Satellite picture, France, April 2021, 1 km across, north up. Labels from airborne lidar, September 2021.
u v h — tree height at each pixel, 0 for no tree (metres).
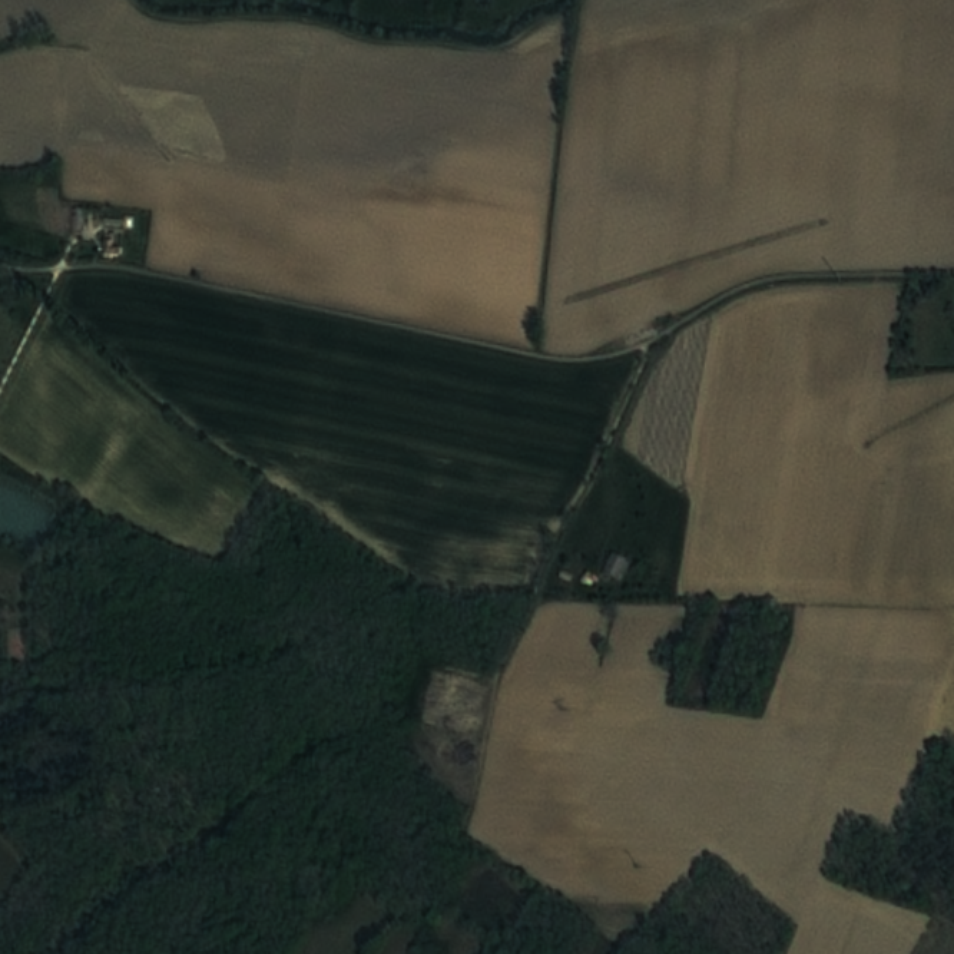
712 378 0
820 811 0
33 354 0
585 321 0
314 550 16
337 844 23
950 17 0
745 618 16
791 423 0
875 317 0
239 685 22
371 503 0
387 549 0
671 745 0
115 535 21
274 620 17
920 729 0
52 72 0
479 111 0
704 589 0
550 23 0
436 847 19
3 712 19
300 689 24
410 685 12
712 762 0
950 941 0
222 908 20
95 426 0
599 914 0
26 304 0
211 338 0
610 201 0
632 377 0
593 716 0
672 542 0
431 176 0
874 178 0
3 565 0
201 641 17
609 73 0
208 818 26
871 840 22
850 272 0
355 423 0
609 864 0
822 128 0
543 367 0
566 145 0
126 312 0
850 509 0
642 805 0
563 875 0
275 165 0
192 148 0
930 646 0
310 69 0
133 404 0
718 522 0
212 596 18
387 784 21
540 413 0
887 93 0
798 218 0
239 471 10
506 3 0
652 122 0
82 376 0
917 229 0
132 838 21
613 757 0
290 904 22
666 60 0
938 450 0
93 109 0
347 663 20
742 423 0
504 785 0
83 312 0
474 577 0
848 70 0
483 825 0
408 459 0
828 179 0
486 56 0
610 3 0
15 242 0
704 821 0
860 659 0
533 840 0
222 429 0
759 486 0
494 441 0
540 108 0
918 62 0
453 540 0
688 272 0
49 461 0
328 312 0
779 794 0
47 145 0
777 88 0
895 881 18
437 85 0
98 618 25
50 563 22
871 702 0
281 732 25
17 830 19
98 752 24
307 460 0
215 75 0
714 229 0
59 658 18
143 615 18
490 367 0
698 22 0
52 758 15
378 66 0
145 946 24
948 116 0
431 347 0
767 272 0
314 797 25
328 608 18
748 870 0
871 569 0
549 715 0
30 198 0
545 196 0
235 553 20
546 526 0
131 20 0
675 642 12
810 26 0
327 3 12
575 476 0
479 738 0
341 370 0
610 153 0
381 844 20
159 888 26
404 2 0
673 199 0
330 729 21
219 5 10
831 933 0
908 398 0
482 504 0
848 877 18
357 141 0
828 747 0
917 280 13
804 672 0
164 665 18
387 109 0
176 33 0
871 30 0
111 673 19
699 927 15
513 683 0
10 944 21
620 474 0
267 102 0
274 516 19
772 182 0
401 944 0
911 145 0
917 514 0
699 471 0
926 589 0
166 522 0
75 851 23
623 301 0
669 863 0
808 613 0
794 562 0
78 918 22
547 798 0
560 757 0
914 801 18
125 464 0
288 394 0
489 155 0
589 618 0
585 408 0
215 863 19
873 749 0
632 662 0
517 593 13
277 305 0
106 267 0
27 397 0
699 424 0
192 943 24
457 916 19
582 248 0
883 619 0
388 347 0
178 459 0
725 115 0
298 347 0
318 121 0
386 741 18
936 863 25
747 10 0
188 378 0
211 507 0
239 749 26
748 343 0
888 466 0
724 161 0
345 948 0
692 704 0
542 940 17
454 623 22
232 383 0
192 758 23
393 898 21
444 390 0
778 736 0
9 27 0
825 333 0
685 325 0
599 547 0
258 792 28
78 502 16
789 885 0
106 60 0
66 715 27
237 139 0
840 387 0
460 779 0
